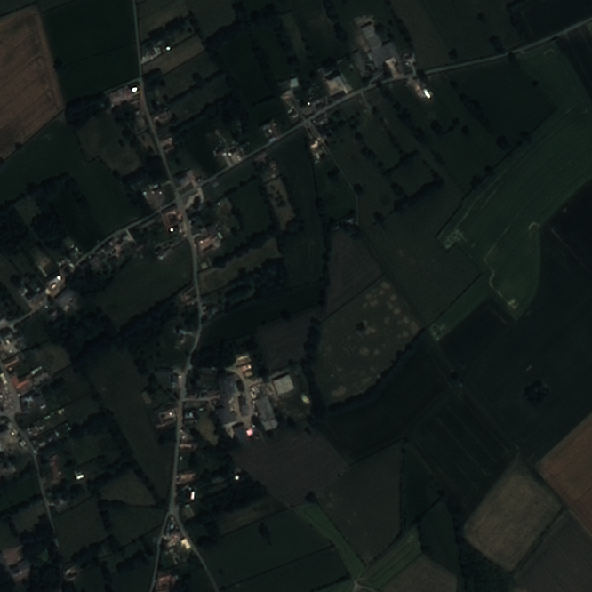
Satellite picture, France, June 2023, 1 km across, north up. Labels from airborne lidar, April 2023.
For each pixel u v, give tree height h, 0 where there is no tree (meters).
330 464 0
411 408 0
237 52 0
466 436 0
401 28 8
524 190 0
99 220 0
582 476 0
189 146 0
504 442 0
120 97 0
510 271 0
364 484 0
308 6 0
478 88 0
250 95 0
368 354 0
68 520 0
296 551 0
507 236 0
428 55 0
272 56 0
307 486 0
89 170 0
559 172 0
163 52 0
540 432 0
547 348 0
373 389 12
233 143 0
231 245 0
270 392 0
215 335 0
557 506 0
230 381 0
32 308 0
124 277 0
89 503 0
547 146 0
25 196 7
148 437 0
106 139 0
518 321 0
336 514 0
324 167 0
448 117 0
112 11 0
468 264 0
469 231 0
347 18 0
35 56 0
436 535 0
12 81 0
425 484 0
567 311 0
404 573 0
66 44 0
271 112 0
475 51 0
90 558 9
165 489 0
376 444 0
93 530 0
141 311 0
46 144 0
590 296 0
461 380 6
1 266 0
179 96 8
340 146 0
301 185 0
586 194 0
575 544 0
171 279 0
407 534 0
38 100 0
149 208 20
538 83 9
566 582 0
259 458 0
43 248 15
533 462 0
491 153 0
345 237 0
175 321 0
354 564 0
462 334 0
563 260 0
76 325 29
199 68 0
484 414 0
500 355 0
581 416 0
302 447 0
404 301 0
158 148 0
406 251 0
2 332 5
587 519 0
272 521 0
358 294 0
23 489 0
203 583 0
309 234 0
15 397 0
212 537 12
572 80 0
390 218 0
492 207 0
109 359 0
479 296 0
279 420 18
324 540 0
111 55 0
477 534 0
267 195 9
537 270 0
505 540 0
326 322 0
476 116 18
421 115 0
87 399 0
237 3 5
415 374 0
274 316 0
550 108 0
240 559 0
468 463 0
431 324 0
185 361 0
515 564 0
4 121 0
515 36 0
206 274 0
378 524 0
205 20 0
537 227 0
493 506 0
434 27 0
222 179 0
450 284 0
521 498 0
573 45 0
